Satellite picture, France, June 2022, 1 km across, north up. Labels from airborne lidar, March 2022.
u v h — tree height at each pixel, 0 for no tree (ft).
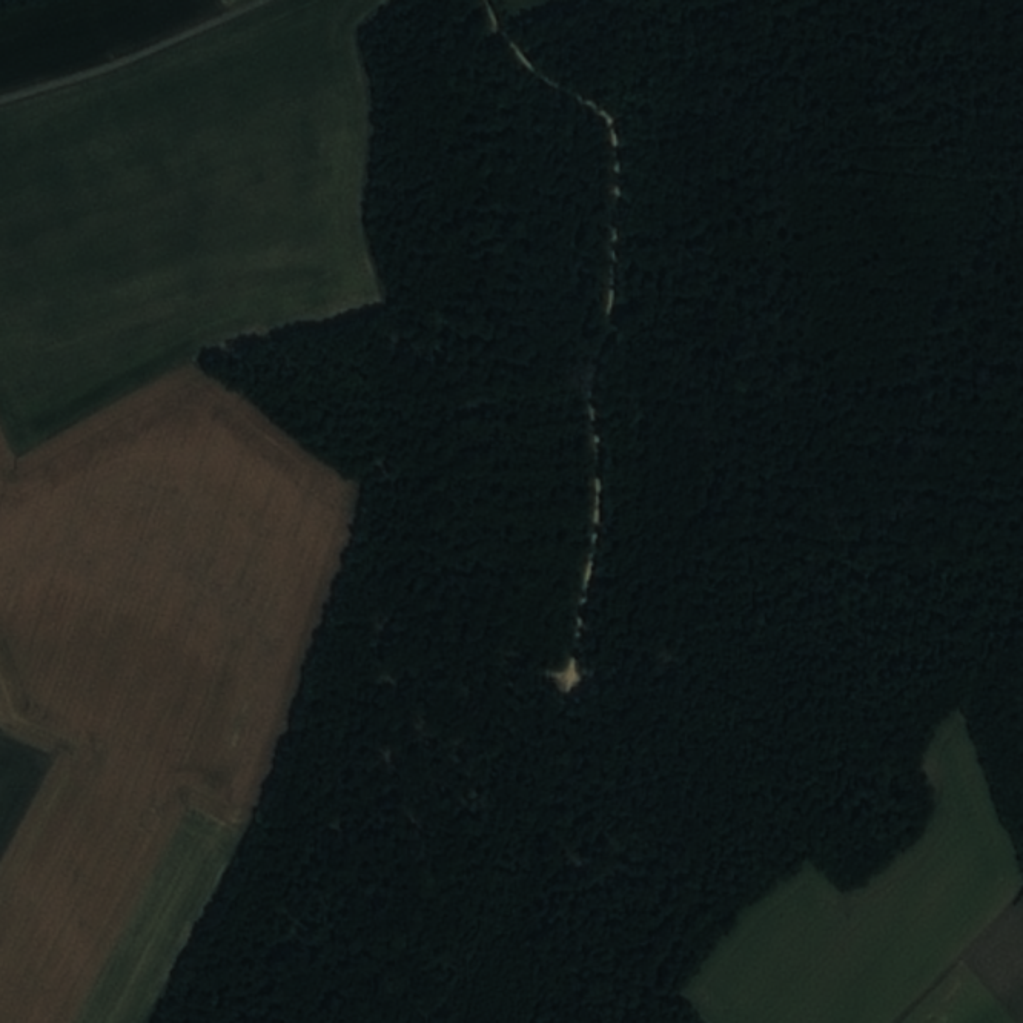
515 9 0
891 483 65
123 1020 0
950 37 66
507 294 78
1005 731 59
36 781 0
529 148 76
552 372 72
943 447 81
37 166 0
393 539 68
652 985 63
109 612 0
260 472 0
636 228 56
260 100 0
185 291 0
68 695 0
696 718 74
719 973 0
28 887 0
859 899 0
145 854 0
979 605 60
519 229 76
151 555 0
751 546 55
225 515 0
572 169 79
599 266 80
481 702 87
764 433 60
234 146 0
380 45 55
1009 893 0
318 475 0
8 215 0
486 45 71
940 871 0
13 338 0
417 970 75
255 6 0
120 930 0
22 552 0
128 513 0
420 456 70
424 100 44
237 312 0
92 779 0
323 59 0
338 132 0
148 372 0
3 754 0
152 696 0
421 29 63
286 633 0
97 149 0
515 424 52
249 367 68
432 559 68
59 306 0
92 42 0
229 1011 71
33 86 0
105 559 0
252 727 0
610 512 26
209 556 0
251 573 0
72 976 0
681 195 53
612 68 69
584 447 76
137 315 0
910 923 0
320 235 0
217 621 0
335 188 0
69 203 0
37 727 0
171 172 0
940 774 0
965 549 65
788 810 65
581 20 77
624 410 59
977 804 0
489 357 64
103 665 0
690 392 71
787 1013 0
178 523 0
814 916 0
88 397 0
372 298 0
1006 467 77
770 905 0
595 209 80
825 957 0
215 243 0
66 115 0
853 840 56
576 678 0
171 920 0
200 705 0
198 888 0
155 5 0
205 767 0
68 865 0
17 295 0
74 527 0
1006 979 0
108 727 0
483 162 92
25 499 0
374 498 63
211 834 0
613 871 0
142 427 0
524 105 74
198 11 0
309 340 66
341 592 50
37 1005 0
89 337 0
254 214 0
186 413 0
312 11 0
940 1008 0
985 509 70
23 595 0
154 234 0
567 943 49
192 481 0
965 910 0
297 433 52
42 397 0
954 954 0
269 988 83
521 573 60
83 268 0
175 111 0
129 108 0
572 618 65
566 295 80
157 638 0
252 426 0
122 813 0
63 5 0
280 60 0
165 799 0
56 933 0
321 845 82
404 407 68
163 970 0
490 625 67
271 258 0
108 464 0
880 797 95
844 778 67
